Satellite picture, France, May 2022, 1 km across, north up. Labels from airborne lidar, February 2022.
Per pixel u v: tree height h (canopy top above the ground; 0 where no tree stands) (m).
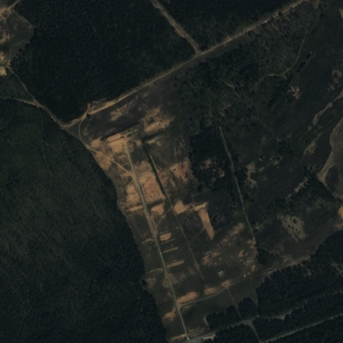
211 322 19
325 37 0
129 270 24
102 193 23
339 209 0
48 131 20
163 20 15
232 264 0
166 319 0
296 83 0
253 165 0
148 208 0
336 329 23
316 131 0
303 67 8
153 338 18
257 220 0
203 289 0
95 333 13
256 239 0
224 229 0
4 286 24
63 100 13
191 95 0
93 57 12
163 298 0
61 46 13
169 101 0
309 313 21
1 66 0
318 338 20
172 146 0
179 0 11
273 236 0
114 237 21
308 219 0
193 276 0
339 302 15
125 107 0
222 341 14
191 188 0
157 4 0
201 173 14
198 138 18
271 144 0
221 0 10
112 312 14
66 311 22
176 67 0
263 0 12
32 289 23
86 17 9
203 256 0
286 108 0
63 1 7
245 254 0
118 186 0
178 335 0
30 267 24
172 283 0
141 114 0
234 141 0
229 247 0
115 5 15
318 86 0
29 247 24
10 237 20
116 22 12
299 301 21
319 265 17
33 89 16
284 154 15
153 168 0
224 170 8
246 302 20
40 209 24
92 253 25
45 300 23
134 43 12
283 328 15
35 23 7
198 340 0
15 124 17
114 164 0
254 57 15
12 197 23
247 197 17
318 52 0
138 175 0
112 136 0
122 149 0
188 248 0
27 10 9
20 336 27
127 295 24
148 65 15
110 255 21
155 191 0
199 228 0
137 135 0
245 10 12
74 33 14
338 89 0
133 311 18
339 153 0
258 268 0
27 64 12
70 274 24
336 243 24
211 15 12
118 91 8
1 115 15
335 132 0
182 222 0
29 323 23
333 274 25
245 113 0
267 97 0
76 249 26
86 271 23
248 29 0
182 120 0
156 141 0
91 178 23
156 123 0
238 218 0
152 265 0
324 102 0
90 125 0
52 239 23
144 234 0
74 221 24
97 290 18
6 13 0
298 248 0
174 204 0
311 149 0
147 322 20
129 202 0
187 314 0
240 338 21
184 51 12
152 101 0
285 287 21
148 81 0
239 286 0
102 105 0
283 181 0
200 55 0
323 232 0
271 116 0
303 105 0
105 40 10
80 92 14
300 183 0
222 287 0
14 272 25
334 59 0
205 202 0
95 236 24
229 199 0
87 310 27
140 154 0
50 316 25
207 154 16
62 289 26
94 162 16
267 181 0
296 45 11
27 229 27
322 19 14
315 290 11
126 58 9
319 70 0
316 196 15
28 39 0
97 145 0
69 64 14
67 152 21
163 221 0
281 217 0
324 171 0
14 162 25
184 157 0
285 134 0
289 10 0
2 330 24
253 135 0
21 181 20
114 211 23
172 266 0
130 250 24
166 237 0
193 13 10
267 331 16
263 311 19
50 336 29
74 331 23
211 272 0
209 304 0
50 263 22
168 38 11
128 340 22
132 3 16
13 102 18
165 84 0
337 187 0
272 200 0
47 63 15
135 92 0
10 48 0
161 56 14
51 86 11
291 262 0
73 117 18
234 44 0
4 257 25
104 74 15
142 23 14
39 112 20
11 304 23
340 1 0
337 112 0
